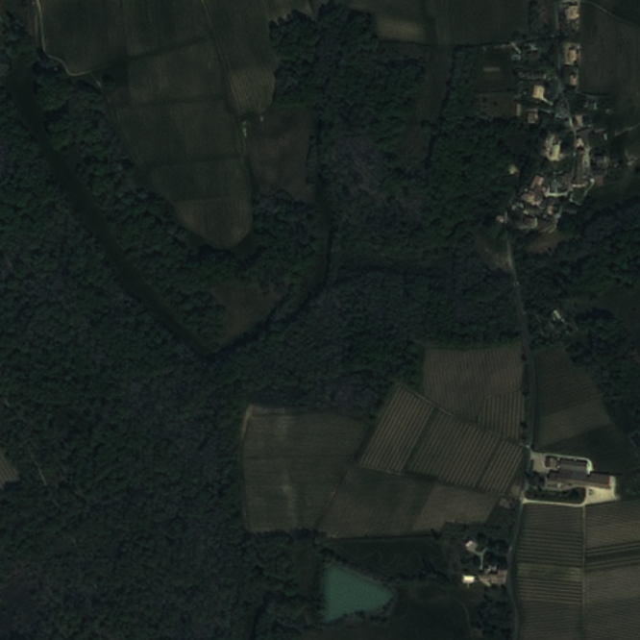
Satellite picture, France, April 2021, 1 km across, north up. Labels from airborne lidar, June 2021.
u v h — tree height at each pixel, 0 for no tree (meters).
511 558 0
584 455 0
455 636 0
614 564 0
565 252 21
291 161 0
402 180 18
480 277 24
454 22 0
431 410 0
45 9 0
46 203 25
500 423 0
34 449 22
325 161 18
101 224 0
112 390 23
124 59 0
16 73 0
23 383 23
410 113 14
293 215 24
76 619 16
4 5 0
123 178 12
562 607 0
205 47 0
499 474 0
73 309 17
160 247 16
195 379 17
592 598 0
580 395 0
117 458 19
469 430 0
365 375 12
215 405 17
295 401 8
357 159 16
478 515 0
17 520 13
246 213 0
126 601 21
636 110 0
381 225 19
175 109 0
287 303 18
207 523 22
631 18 0
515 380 0
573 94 14
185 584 22
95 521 14
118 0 0
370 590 0
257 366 22
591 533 0
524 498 0
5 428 10
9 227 26
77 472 14
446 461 0
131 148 0
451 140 23
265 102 0
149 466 22
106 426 18
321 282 0
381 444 0
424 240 24
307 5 0
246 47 0
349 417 0
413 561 0
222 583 22
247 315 0
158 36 0
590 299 20
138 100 0
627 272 24
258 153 0
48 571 14
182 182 0
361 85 20
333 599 0
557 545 0
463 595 0
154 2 0
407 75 17
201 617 22
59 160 0
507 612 12
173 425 22
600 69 0
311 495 0
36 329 15
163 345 20
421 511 0
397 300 20
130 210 22
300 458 0
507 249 0
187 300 16
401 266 7
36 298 17
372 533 0
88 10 0
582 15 0
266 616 18
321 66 24
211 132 0
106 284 17
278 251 26
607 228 25
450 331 18
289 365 21
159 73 0
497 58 0
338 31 22
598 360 19
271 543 20
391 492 0
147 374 20
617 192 0
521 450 0
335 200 16
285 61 7
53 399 15
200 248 0
